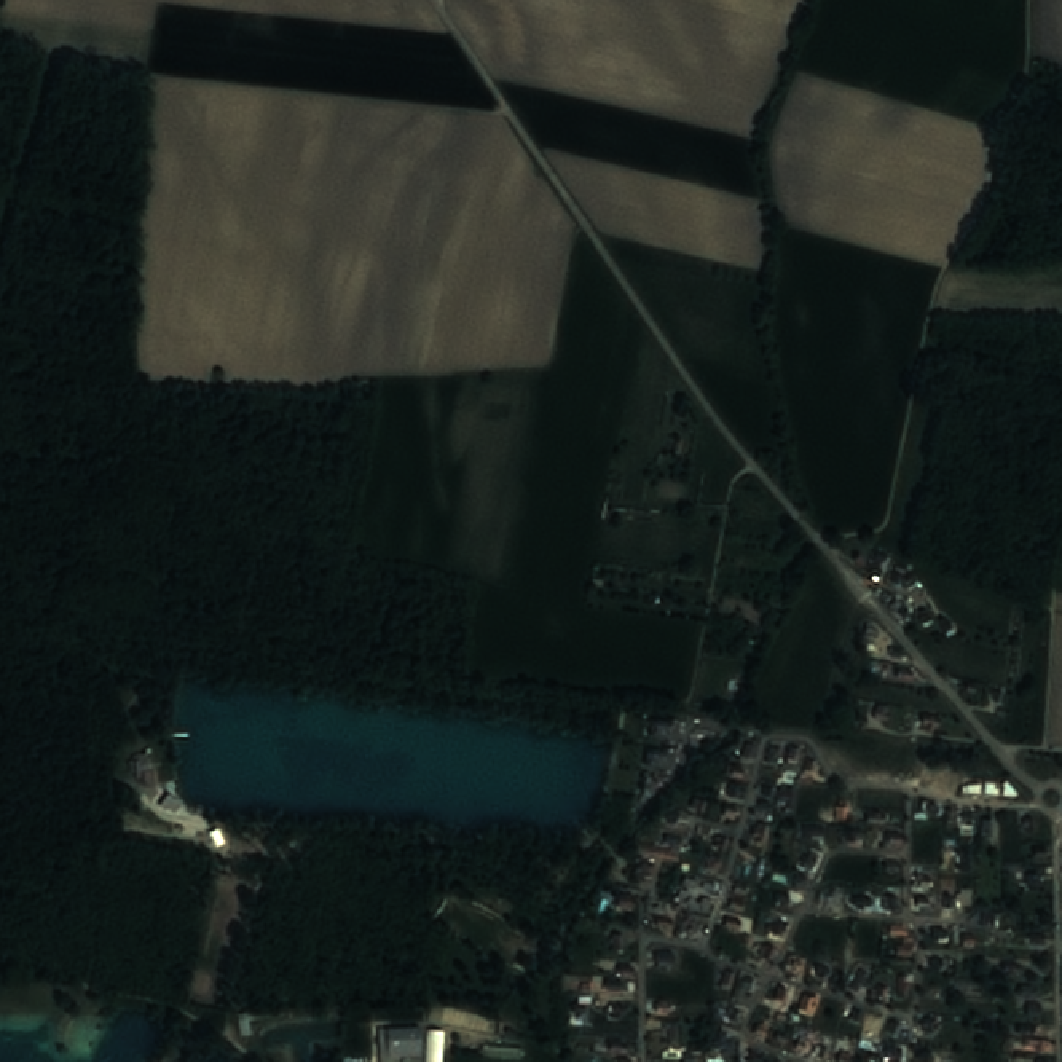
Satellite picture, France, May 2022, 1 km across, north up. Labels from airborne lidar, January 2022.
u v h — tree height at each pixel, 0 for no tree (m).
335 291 0
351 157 0
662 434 0
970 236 20
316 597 18
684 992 0
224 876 0
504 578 0
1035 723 0
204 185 0
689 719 0
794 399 0
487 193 0
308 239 0
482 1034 0
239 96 0
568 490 0
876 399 0
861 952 0
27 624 15
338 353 0
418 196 0
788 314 0
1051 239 21
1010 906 8
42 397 20
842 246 0
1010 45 0
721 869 0
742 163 0
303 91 0
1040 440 22
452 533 0
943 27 0
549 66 0
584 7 0
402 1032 0
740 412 0
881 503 0
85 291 14
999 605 0
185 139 0
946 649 0
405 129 0
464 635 14
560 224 0
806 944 0
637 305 0
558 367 0
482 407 0
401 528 0
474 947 11
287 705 0
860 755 0
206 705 0
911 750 0
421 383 0
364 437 21
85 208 0
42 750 17
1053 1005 0
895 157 0
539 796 0
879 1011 0
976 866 0
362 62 0
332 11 0
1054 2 0
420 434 0
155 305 0
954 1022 0
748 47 0
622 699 19
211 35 0
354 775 0
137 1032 0
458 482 0
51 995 0
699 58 0
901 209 0
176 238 0
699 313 0
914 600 0
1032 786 0
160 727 18
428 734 0
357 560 20
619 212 0
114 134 26
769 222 15
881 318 0
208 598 14
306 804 0
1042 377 20
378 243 0
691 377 0
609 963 0
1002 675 0
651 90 0
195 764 0
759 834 0
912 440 0
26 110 20
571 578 0
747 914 0
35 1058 0
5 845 19
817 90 0
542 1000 0
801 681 0
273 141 0
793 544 9
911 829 0
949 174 0
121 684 18
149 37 0
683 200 0
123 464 24
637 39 0
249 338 0
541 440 0
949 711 0
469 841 15
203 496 16
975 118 0
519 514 0
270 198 0
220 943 0
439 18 0
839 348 0
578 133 0
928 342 0
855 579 0
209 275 0
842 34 0
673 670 0
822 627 0
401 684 13
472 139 0
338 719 0
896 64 0
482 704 15
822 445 0
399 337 0
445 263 0
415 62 0
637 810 0
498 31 0
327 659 21
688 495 0
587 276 0
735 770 0
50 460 13
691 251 0
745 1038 0
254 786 0
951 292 0
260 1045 0
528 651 0
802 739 0
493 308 0
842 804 0
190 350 0
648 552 0
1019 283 0
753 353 0
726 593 6
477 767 0
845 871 0
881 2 0
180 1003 18
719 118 0
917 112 0
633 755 0
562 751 0
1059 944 0
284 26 0
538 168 0
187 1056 17
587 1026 0
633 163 0
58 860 20
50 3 0
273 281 0
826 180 0
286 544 18
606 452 0
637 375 0
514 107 0
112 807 21
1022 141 18
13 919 11
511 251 0
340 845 0
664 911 0
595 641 0
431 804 0
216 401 18
